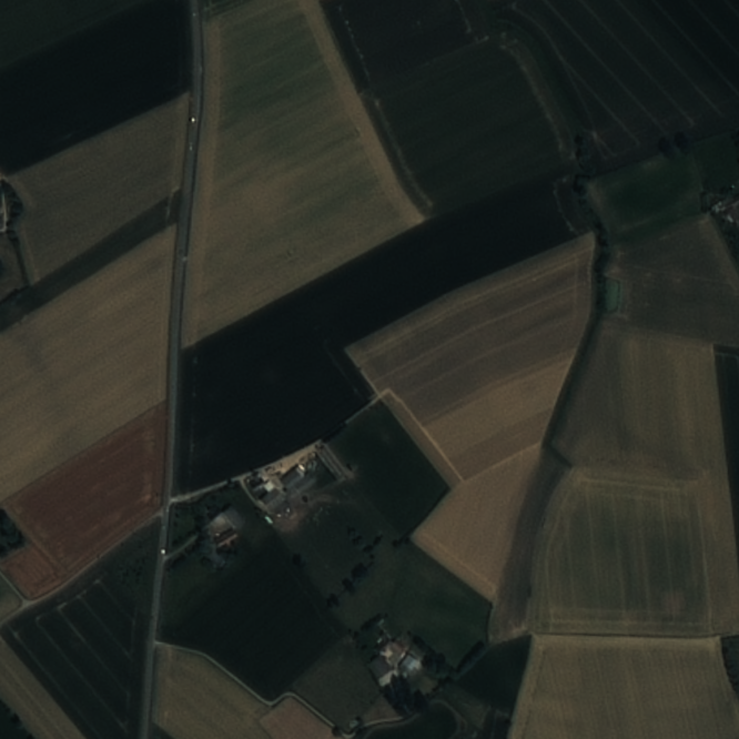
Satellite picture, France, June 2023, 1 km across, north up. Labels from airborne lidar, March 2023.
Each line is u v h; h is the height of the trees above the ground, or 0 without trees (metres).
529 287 0
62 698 0
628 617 0
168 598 0
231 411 0
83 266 0
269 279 0
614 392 0
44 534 0
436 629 0
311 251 0
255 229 0
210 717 0
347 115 0
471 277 0
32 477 0
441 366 0
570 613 0
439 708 0
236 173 0
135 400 0
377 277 0
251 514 0
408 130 0
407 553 0
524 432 0
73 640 0
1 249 0
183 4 0
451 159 0
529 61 0
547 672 0
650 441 0
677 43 0
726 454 0
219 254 0
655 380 0
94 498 0
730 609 0
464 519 0
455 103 0
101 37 0
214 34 0
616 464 0
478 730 0
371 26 0
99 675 0
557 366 0
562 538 0
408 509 0
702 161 0
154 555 0
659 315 0
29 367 0
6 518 17
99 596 0
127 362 0
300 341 0
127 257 0
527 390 0
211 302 0
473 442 0
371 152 0
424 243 0
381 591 0
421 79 0
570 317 0
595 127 0
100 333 0
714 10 0
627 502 0
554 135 0
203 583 0
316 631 0
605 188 0
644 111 0
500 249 0
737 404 0
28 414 0
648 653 0
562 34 0
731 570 0
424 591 0
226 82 0
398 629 0
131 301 0
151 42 0
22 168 0
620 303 0
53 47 0
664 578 0
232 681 0
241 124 0
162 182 0
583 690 0
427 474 0
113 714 0
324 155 0
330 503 0
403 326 0
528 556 0
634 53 0
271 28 0
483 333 0
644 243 0
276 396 0
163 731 0
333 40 0
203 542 12
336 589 0
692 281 0
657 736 0
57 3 0
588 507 0
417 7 0
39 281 0
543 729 0
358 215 0
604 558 0
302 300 0
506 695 0
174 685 0
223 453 0
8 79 0
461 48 0
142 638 0
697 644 0
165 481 0
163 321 0
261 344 0
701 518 0
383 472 0
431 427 0
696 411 0
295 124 0
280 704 0
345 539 0
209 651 0
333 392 0
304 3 0
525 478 0
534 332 0
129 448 0
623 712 0
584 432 0
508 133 0
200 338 0
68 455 0
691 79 0
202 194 0
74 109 0
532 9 0
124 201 0
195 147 0
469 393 0
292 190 0
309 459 0
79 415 0
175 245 0
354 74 0
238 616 0
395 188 0
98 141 0
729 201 0
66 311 0
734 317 0
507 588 0
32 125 0
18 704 0
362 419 0
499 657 0
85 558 0
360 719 6
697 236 0
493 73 0
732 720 0
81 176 0
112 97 0
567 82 0
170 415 0
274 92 0
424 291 0
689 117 0
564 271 0
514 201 0
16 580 0
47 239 0
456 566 0
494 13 0
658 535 0
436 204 0
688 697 0
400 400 0
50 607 0
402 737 0
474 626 0
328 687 0
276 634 0
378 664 0
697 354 0
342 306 0
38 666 0
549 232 0
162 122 0
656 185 0
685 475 0
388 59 0
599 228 19
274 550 0
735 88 0
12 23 0
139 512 0
